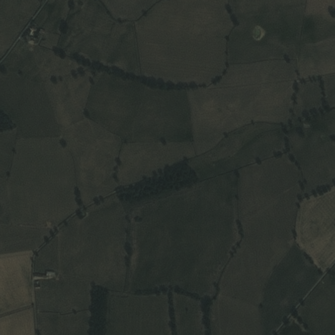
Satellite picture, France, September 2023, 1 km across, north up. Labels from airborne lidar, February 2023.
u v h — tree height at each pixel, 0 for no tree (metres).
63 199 0
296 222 0
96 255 0
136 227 0
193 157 0
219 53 0
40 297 0
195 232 0
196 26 0
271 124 0
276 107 0
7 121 16
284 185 0
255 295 0
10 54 0
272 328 0
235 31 0
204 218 0
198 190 0
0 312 0
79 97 0
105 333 16
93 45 0
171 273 0
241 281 0
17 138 0
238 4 0
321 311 0
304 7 0
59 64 0
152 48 0
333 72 0
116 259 0
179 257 0
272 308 0
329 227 0
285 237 0
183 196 0
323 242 0
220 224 0
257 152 0
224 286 0
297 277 0
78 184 0
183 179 14
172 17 0
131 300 0
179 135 0
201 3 0
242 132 0
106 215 0
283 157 0
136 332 0
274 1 0
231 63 0
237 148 0
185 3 0
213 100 0
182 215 0
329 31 0
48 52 0
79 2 0
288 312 0
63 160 0
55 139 0
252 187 0
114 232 0
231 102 0
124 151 0
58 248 0
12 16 0
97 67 18
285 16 0
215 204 0
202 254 0
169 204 0
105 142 0
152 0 0
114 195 0
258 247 0
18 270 0
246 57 0
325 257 0
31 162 0
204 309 19
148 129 0
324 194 0
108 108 0
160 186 20
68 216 0
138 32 0
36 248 0
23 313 0
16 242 0
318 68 0
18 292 0
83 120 0
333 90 0
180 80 0
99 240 0
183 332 0
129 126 0
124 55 0
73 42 0
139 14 0
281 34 0
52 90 0
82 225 0
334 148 0
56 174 0
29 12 0
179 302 0
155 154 0
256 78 0
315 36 0
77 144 0
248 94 0
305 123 0
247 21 0
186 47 0
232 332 0
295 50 0
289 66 0
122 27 0
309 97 0
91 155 0
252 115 0
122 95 0
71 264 0
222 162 0
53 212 0
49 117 0
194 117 0
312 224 0
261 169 0
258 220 0
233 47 0
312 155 0
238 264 0
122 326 0
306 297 0
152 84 22
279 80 0
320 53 0
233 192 0
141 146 0
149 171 0
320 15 0
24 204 0
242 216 0
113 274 0
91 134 0
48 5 0
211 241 0
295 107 0
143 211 0
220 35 0
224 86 0
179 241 0
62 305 0
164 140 12
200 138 0
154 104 0
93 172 0
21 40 0
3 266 0
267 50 0
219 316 0
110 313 0
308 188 0
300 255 0
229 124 0
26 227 0
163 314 0
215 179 0
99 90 0
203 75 0
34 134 0
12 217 0
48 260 0
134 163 0
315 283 0
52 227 0
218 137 0
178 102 0
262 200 0
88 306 0
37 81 0
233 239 0
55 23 0
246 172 0
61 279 0
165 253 0
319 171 0
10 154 0
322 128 0
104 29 0
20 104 0
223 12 0
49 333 0
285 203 0
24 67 0
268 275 0
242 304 0
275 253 0
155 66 0
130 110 0
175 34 0
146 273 0
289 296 0
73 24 0
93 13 0
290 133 0
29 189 0
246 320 0
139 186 14
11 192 0
